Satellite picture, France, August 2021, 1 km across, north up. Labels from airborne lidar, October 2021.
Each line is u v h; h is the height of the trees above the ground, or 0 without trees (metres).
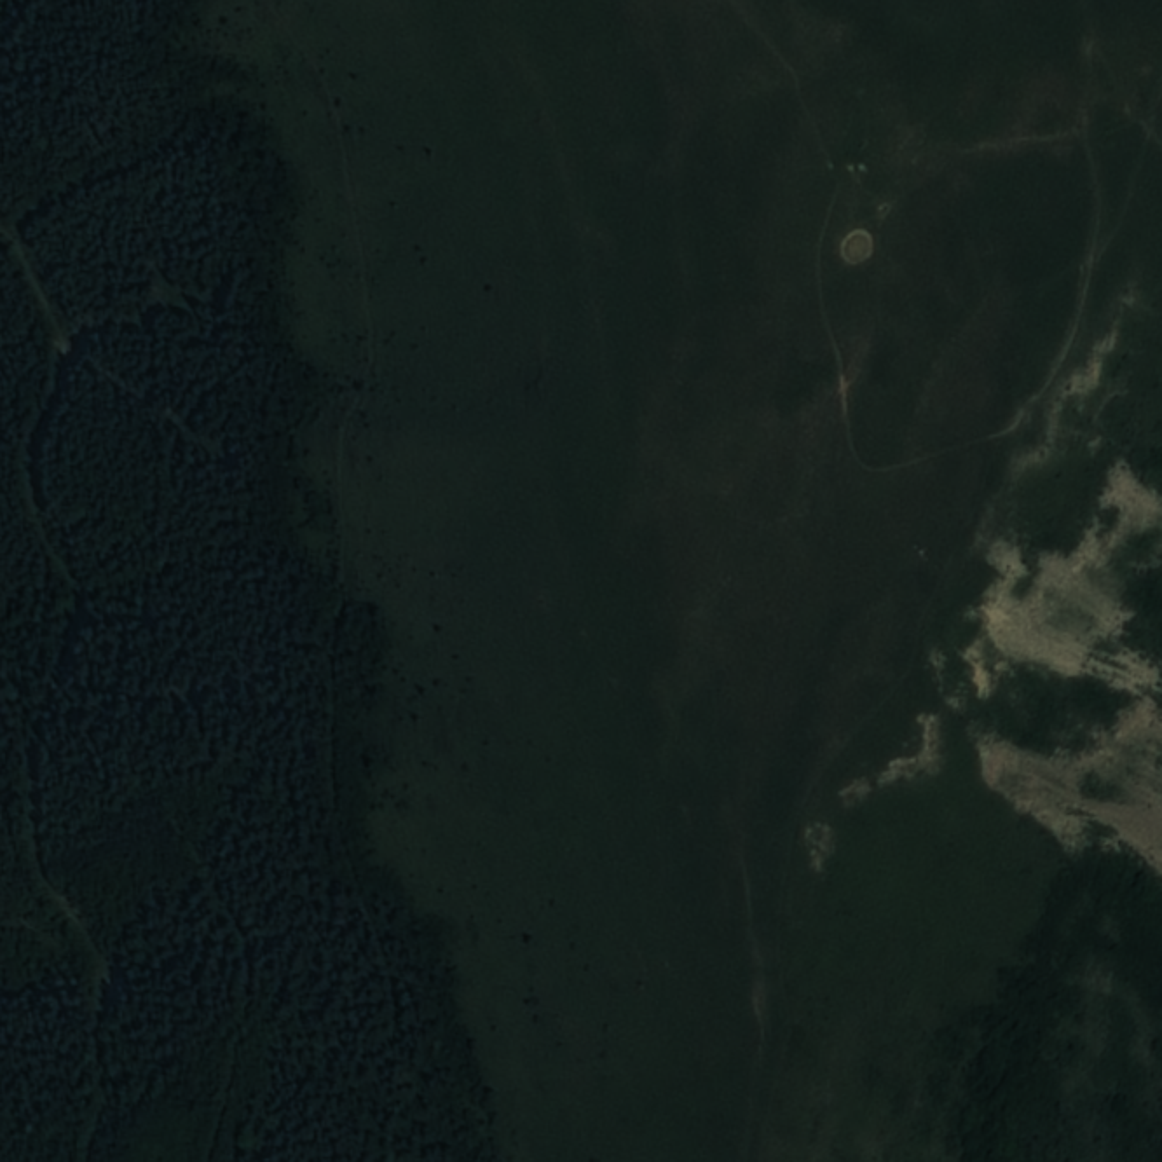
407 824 0
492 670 0
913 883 0
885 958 0
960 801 0
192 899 21
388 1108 9
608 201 0
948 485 0
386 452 0
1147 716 0
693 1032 0
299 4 0
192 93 13
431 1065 7
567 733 0
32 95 25
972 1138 14
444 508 0
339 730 7
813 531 0
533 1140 0
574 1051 0
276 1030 8
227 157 20
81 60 19
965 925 0
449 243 0
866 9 0
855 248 0
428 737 0
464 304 0
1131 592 0
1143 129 0
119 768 20
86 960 8
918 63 0
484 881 0
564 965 0
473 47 0
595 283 0
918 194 0
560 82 0
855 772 0
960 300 0
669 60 0
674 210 0
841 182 0
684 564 0
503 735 0
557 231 0
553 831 0
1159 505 0
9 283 19
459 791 0
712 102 0
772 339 0
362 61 0
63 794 22
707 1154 0
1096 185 0
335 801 7
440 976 6
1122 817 0
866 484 0
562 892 0
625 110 0
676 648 0
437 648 0
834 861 0
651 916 0
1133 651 0
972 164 0
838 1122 0
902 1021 0
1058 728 0
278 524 15
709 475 0
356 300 0
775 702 0
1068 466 0
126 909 7
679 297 0
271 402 22
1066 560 0
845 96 0
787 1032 0
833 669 0
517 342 0
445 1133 6
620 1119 0
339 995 17
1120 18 0
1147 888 11
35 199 7
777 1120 0
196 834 8
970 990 0
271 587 27
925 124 0
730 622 0
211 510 22
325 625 12
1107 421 0
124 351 24
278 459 9
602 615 0
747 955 0
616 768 0
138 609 24
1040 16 0
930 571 0
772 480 0
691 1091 0
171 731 21
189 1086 10
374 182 0
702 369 0
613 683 0
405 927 6
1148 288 0
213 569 20
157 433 21
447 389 0
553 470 0
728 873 0
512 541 0
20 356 19
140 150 16
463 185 0
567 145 0
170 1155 9
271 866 23
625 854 0
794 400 0
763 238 0
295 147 0
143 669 23
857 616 0
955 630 0
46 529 9
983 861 0
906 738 0
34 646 12
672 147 0
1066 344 0
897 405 0
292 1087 18
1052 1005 5
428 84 0
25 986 12
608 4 0
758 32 0
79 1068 23
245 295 25
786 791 0
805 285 0
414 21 0
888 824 0
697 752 0
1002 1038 13
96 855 11
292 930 18
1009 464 0
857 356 0
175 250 22
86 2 22
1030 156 0
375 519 0
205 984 25
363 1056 10
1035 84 0
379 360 0
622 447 0
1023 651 0
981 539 0
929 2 0
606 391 0
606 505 0
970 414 0
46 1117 24
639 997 0
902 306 0
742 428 0
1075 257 0
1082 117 0
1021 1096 10
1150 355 0
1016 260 0
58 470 23
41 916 9
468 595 0
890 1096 0
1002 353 0
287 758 23
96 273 22
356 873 6
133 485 21
